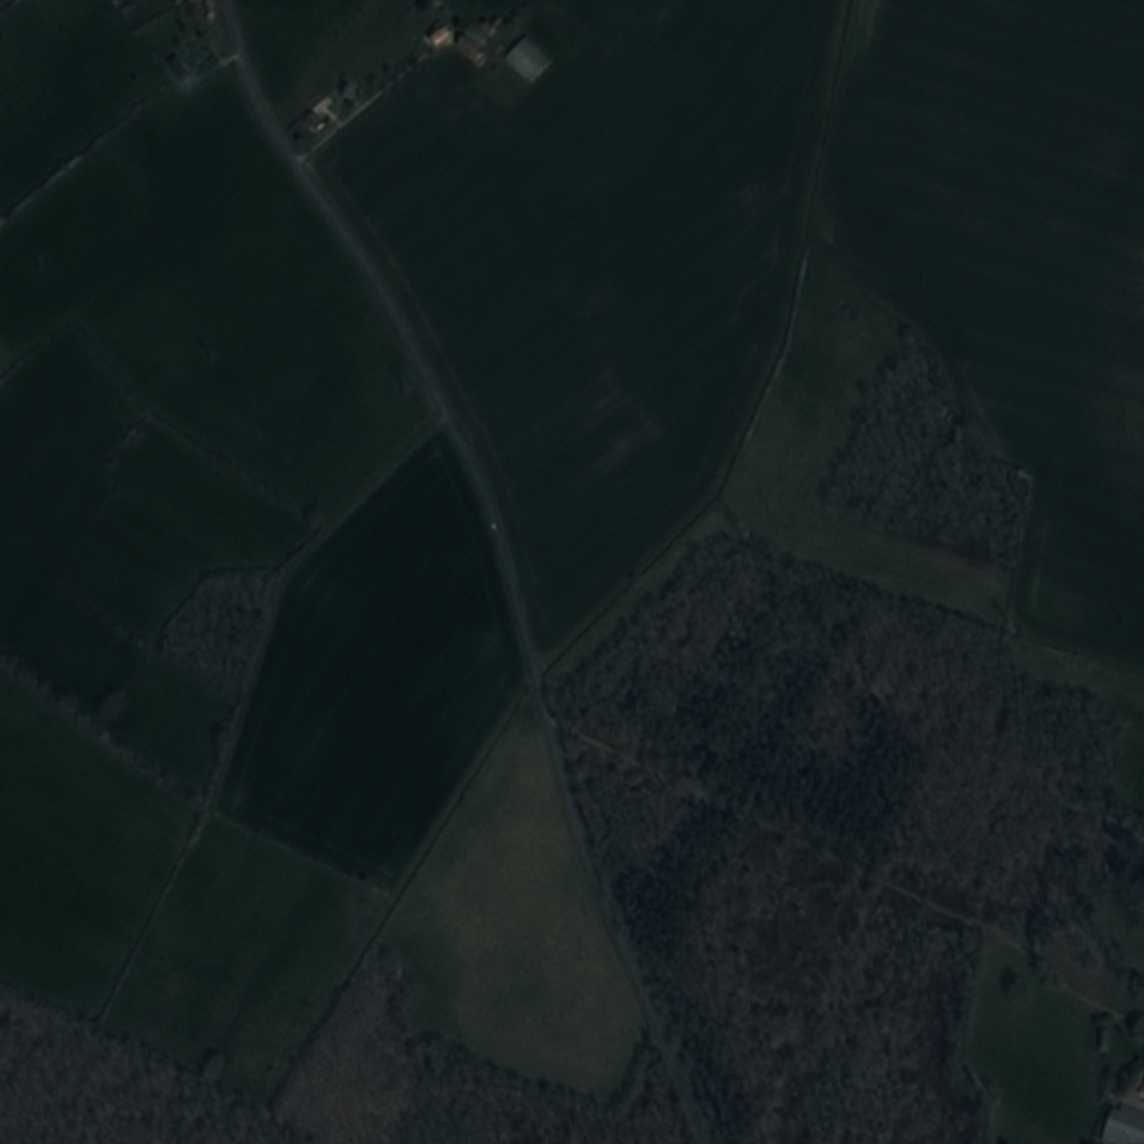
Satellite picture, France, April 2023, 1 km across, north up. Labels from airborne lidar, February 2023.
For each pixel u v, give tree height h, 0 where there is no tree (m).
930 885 19
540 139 0
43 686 11
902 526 22
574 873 0
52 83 0
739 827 23
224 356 0
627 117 0
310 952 0
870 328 0
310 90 0
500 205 0
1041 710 18
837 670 22
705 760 26
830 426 0
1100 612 0
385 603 0
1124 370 0
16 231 0
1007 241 0
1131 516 0
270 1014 0
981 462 20
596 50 0
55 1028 17
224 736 18
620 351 0
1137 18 0
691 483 0
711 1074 22
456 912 0
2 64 0
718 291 0
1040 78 0
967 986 23
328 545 0
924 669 19
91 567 0
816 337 0
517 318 0
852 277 0
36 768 0
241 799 0
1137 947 0
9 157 0
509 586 0
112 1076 21
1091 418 0
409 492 0
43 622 0
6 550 0
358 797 0
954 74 0
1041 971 21
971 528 17
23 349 0
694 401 0
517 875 0
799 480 0
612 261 0
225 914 0
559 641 0
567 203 0
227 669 20
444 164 0
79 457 0
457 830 0
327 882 0
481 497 0
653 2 0
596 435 0
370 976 10
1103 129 0
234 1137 23
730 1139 22
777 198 0
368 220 0
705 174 0
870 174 0
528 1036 0
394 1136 13
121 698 14
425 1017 0
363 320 0
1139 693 0
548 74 0
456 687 0
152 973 0
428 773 0
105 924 0
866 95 0
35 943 0
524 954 0
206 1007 0
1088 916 11
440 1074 18
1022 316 0
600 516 0
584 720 13
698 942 18
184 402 0
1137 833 18
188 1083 18
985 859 18
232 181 0
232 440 0
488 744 0
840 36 0
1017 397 0
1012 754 17
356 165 0
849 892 15
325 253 0
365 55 0
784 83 0
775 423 0
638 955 12
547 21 0
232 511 0
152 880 0
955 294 0
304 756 0
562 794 0
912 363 18
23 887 0
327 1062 18
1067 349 0
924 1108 15
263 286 0
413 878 0
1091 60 0
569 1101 18
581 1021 0
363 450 0
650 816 19
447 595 0
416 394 0
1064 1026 0
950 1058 19
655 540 0
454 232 0
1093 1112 0
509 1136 19
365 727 0
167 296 0
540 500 0
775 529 0
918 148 0
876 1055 25
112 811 0
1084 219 0
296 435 0
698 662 16
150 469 0
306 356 0
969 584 0
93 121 0
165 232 0
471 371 0
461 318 0
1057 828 16
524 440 0
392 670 0
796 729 25
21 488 0
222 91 0
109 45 0
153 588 0
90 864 0
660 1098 17
